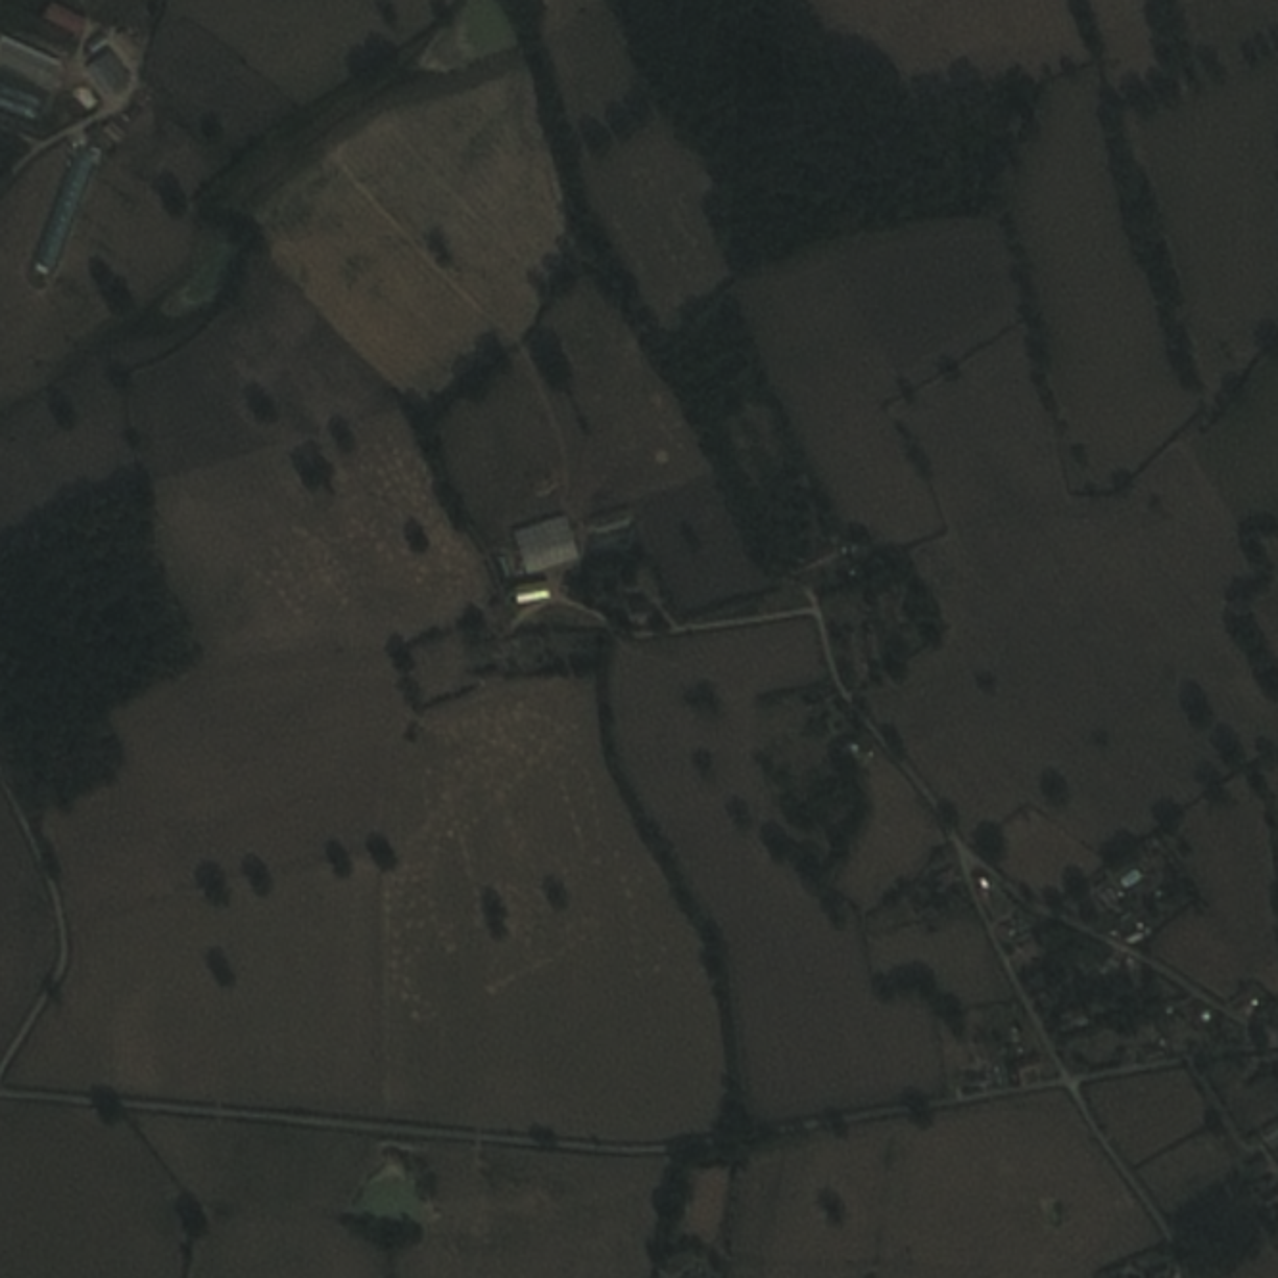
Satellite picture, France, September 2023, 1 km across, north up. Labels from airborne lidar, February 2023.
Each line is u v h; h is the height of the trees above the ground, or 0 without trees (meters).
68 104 0
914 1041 0
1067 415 0
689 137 11
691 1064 0
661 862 14
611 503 0
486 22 0
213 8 0
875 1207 0
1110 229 0
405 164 0
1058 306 0
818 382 0
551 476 0
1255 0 0
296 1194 0
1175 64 18
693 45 21
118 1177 0
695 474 0
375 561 0
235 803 0
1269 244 0
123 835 0
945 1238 0
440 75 0
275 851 0
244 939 0
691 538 11
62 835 0
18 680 21
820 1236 0
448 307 0
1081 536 0
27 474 0
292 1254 0
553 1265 0
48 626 20
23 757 16
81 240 0
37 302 0
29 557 21
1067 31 0
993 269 0
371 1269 0
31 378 0
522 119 0
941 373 10
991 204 10
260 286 0
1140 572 0
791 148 20
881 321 0
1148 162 0
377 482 0
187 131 0
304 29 0
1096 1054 0
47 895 0
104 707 15
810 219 19
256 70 0
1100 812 0
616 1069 0
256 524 0
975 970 0
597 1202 0
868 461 0
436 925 0
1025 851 0
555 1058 0
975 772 0
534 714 0
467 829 0
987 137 0
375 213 0
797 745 0
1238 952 0
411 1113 0
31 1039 0
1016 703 0
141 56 0
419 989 0
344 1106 0
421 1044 0
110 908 0
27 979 0
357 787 0
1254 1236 20
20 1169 0
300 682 0
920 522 0
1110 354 0
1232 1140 0
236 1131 0
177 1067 0
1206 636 0
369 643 0
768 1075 0
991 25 0
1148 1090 0
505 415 0
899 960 0
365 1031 0
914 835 0
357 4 0
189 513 0
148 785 0
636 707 0
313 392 0
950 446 0
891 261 0
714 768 12
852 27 0
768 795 0
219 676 0
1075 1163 0
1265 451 0
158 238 0
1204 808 0
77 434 0
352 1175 0
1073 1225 0
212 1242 0
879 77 18
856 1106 0
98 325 0
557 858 0
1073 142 0
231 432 0
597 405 0
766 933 0
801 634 0
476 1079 0
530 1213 0
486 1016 0
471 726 0
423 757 0
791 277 0
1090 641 0
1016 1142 0
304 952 0
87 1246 0
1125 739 0
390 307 0
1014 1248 0
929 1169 0
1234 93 0
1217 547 0
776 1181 0
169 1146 0
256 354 0
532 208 0
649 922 0
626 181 0
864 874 0
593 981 0
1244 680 0
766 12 20
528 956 0
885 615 0
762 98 12
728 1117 13
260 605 0
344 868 15
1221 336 0
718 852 0
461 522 12
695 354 8
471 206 0
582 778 0
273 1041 0
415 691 13
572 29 0
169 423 0
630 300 17
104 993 0
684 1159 17
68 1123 0
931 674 0
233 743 0
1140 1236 0
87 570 19
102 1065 0
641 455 0
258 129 0
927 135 24
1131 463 0
